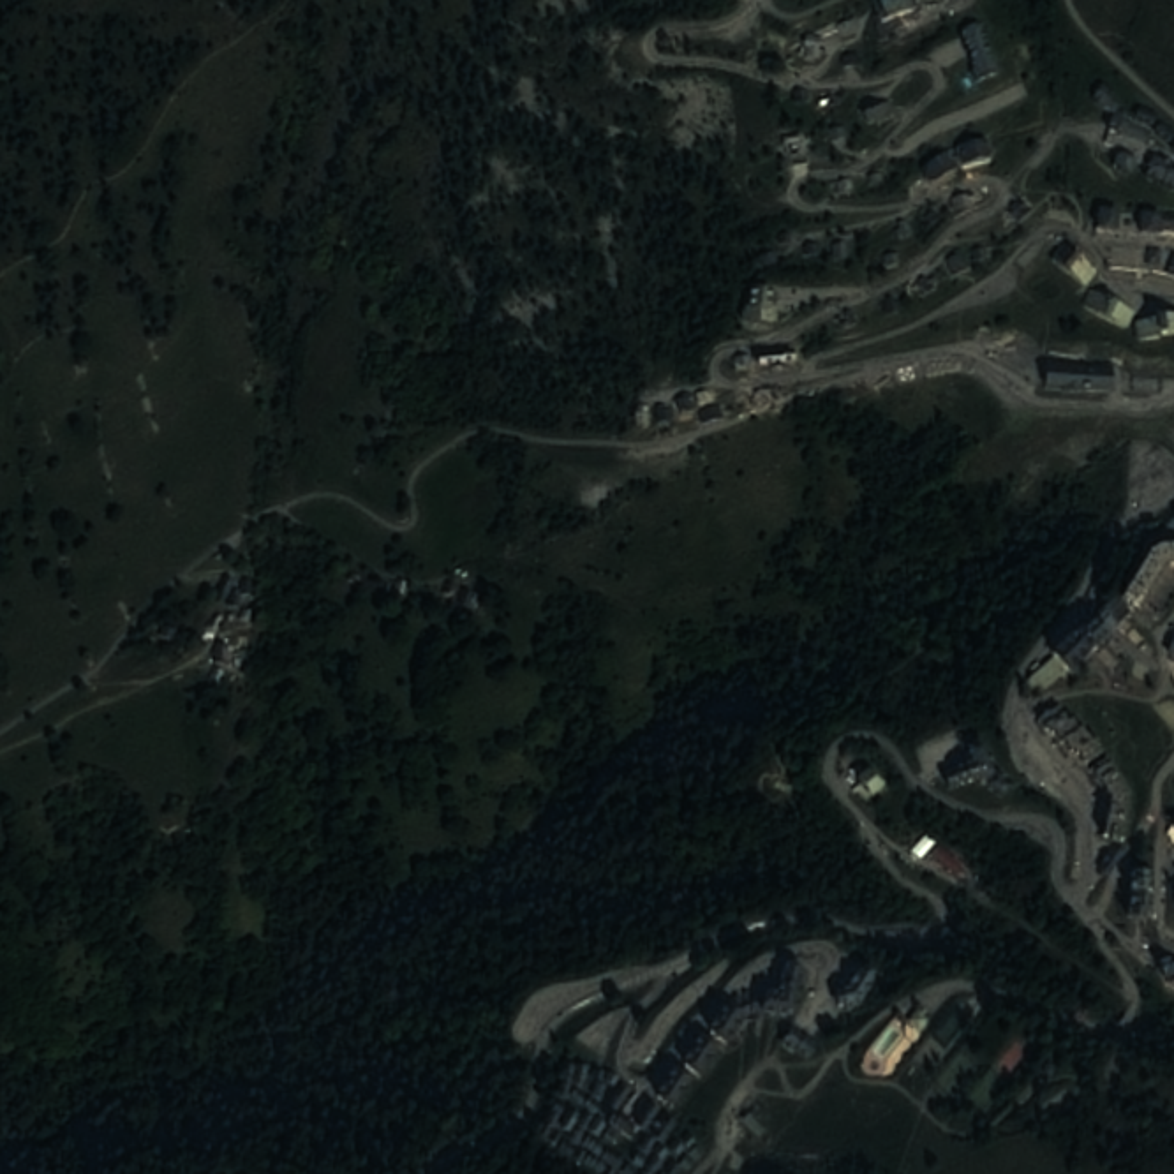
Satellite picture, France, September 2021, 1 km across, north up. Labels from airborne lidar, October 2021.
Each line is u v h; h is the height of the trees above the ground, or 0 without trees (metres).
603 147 10
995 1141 10
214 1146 20
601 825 30
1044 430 0
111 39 16
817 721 16
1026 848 11
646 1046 0
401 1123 24
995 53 0
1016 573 16
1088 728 0
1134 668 0
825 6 0
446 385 13
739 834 20
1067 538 11
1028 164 0
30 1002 15
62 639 0
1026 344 0
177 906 0
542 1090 19
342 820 20
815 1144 0
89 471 0
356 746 13
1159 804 0
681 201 12
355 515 0
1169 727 0
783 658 14
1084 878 0
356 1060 17
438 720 16
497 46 5
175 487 0
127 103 9
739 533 0
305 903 21
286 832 14
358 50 14
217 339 0
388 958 24
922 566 10
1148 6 0
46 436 0
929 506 13
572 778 16
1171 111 0
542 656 13
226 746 0
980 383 0
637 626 0
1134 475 0
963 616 13
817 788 9
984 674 14
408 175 0
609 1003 15
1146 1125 11
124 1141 15
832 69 0
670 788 32
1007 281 0
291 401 7
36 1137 12
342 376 0
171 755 0
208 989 17
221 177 0
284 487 0
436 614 19
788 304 0
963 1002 0
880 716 9
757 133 0
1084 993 16
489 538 9
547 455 0
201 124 0
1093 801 0
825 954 0
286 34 9
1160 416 0
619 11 11
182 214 0
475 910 20
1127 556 12
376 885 15
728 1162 0
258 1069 21
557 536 9
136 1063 19
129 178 0
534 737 17
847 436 15
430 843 0
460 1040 18
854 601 18
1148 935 0
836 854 12
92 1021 16
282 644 17
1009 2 15
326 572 11
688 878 17
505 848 16
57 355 0
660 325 6
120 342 0
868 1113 0
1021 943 14
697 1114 0
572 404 8
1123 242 0
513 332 14
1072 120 0
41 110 7
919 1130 0
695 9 7
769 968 0
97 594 0
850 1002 0
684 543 0
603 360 13
